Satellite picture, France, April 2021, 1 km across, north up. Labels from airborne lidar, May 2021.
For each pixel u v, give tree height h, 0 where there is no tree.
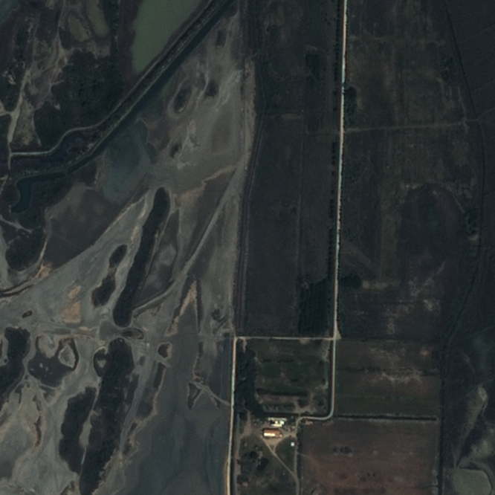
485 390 0
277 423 0
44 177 0
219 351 0
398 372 0
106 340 0
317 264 0
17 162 0
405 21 0
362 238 0
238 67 0
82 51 0
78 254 0
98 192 0
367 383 0
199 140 0
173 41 0
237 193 0
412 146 0
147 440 0
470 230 8
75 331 0
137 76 0
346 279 8
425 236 0
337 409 0
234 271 0
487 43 0
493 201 0
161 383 0
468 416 0
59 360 0
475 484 0
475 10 0
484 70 0
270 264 0
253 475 0
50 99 0
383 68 0
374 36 0
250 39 0
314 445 0
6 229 0
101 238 0
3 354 0
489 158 0
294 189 0
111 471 0
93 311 0
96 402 0
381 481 0
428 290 0
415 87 0
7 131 0
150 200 0
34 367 0
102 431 0
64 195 0
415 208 0
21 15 0
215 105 0
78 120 0
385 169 0
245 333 0
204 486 0
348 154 0
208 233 0
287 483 0
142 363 0
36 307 0
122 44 0
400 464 0
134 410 0
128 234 0
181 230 0
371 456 0
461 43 0
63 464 0
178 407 0
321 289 10
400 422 0
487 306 0
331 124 0
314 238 0
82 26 0
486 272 0
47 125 0
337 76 7
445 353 6
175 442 0
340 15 6
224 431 0
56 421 0
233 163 0
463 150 0
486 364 0
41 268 0
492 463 0
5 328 0
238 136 0
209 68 0
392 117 0
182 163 0
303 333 11
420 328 0
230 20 0
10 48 0
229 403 0
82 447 0
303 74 0
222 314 0
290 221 0
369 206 0
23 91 0
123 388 0
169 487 0
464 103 0
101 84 6
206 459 0
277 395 5
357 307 0
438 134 0
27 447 0
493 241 0
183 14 0
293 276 0
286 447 0
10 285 0
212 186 0
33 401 0
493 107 0
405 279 0
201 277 0
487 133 0
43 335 0
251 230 0
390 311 0
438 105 0
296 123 0
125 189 0
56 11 0
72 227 0
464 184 0
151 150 0
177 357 0
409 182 0
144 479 0
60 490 0
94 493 0
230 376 0
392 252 0
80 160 0
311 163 0
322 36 0
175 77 0
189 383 0
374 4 0
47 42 0
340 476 0
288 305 0
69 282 0
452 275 0
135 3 0
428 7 0
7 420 0
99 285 0
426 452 0
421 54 0
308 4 0
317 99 0
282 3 0
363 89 0
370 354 0
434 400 0
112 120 7
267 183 0
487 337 0
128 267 0
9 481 0
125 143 0
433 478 0
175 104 0
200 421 0
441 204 0
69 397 0
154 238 0
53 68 0
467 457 0
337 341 0
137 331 0
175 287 0
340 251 6
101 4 0
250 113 0
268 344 0
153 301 0
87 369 0
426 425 0
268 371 0
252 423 0
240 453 0
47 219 0
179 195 0
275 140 0
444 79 0
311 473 0
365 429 0
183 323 0
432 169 0
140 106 0
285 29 0
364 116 0
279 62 0
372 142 0
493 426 0
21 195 0
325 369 0
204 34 0
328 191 0
